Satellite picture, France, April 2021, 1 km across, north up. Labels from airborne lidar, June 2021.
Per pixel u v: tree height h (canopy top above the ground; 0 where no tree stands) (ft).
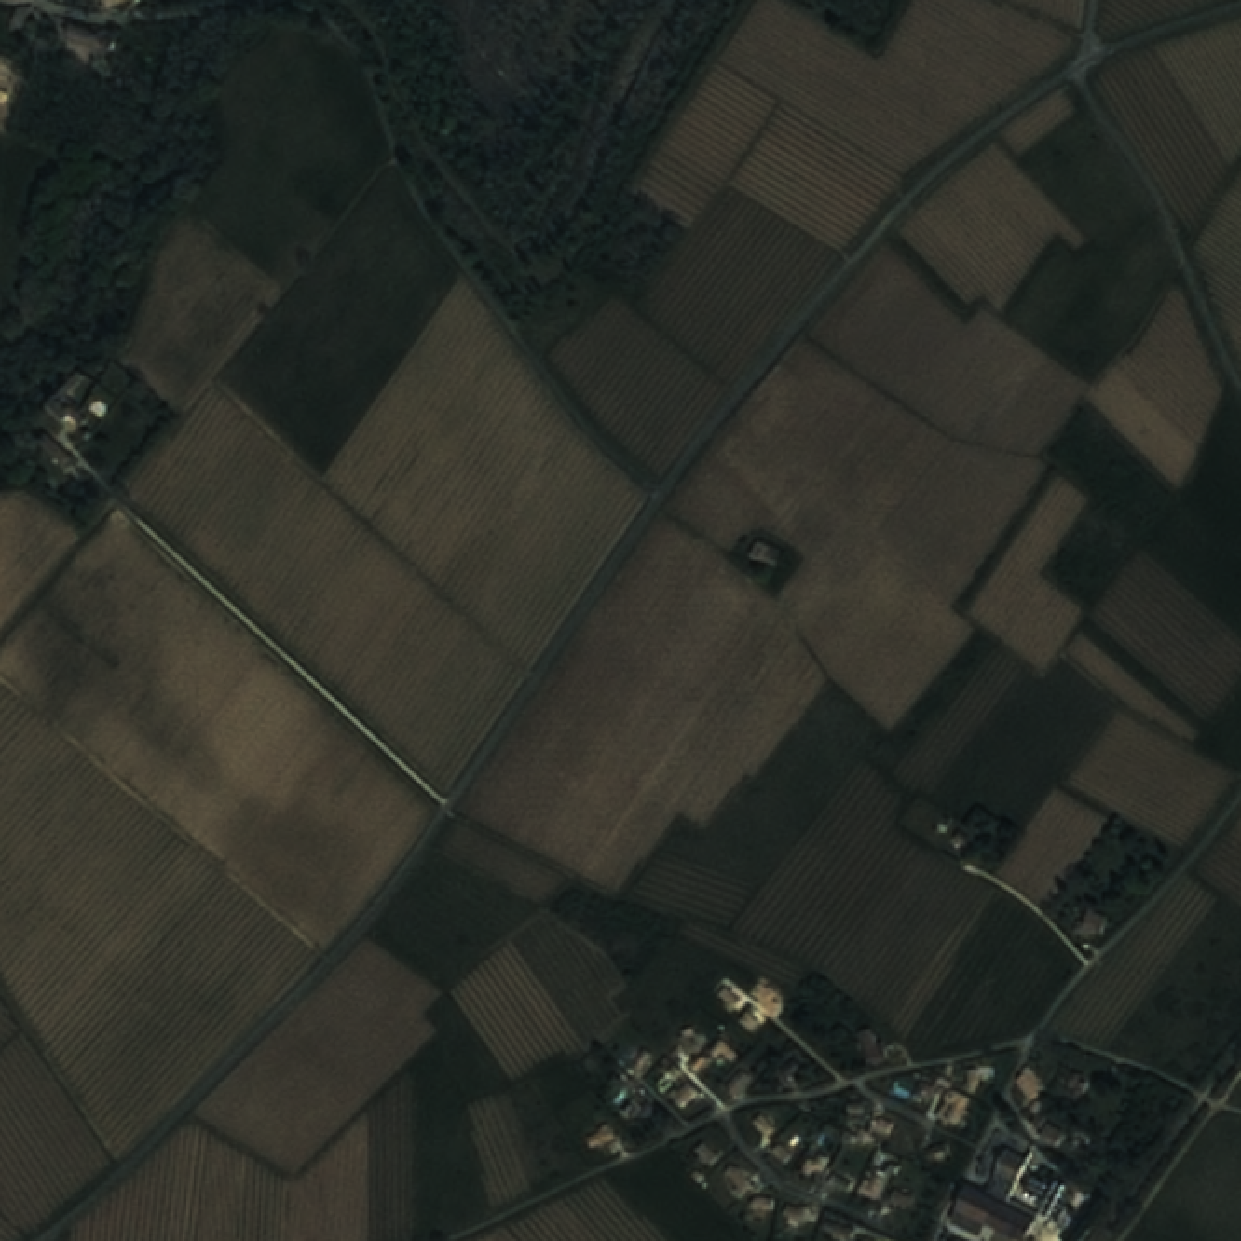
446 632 0
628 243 37
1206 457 0
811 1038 19
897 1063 0
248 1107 0
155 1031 0
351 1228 0
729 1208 0
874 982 0
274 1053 0
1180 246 0
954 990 0
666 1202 0
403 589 0
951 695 0
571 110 20
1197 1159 0
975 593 0
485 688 0
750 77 0
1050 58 0
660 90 19
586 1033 0
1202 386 0
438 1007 0
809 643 0
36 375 62
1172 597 0
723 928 0
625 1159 0
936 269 0
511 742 0
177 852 0
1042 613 0
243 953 0
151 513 0
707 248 0
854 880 0
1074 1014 0
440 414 0
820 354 0
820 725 0
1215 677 0
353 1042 0
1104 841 23
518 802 0
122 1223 0
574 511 0
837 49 0
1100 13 0
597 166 23
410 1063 0
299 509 0
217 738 0
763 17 0
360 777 0
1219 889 0
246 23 59
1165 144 0
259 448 0
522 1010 0
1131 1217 48
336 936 0
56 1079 0
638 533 0
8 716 0
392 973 0
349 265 0
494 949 0
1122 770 0
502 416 0
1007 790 0
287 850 0
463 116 49
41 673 0
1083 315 0
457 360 0
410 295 0
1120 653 0
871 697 0
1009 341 0
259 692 0
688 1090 0
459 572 0
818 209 0
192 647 0
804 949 0
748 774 0
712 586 0
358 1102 0
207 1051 0
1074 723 0
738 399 0
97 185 43
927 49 0
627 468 0
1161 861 26
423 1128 0
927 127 0
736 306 0
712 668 0
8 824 0
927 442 0
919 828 0
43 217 64
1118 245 0
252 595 0
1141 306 0
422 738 0
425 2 68
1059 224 0
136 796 0
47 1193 0
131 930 0
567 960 0
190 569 0
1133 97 0
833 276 0
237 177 0
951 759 0
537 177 48
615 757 0
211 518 0
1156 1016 0
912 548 0
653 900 0
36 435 40
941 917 0
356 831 0
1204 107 0
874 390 0
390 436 0
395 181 0
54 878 0
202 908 0
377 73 31
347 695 0
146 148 68
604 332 0
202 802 0
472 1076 0
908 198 0
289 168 0
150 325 0
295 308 0
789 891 0
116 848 0
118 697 0
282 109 0
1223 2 0
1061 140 0
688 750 0
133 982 0
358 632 0
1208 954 0
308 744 0
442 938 0
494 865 0
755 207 0
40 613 0
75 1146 0
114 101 59
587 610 0
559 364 0
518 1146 0
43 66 56
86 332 49
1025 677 0
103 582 0
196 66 75
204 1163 0
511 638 0
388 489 0
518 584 0
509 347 0
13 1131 0
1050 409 0
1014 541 0
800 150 0
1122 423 0
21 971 0
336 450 0
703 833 0
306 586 0
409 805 0
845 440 0
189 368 0
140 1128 0
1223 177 0
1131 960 0
